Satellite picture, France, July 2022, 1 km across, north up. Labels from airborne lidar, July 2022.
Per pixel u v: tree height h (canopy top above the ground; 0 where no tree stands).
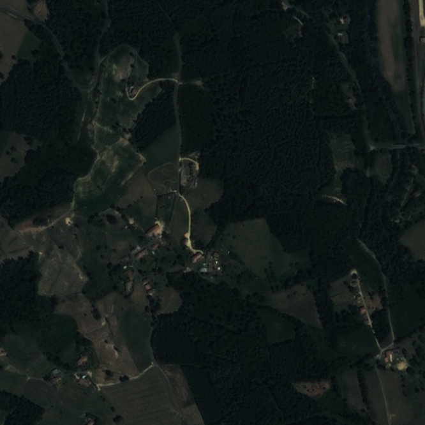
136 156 0
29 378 0
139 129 7
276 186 39
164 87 13
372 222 25
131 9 21
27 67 30
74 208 0
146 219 0
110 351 0
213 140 7
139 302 0
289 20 30
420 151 21
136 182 0
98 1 0
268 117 27
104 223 11
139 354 0
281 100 26
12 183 21
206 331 19
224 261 0
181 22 20
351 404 0
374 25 16
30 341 0
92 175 0
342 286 0
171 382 0
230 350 22
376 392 0
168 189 0
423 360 25
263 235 0
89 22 26
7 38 0
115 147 0
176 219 0
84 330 0
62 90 29
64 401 0
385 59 0
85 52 12
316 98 8
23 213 22
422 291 8
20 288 19
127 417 0
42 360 0
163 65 6
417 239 0
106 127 0
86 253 0
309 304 0
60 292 0
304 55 27
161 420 0
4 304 25
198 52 18
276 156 31
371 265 0
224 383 36
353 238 26
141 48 8
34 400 0
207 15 20
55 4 18
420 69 0
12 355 0
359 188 24
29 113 27
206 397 13
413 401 0
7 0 0
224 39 27
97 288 0
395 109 21
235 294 25
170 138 0
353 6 23
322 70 24
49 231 0
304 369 16
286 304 0
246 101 27
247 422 22
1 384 0
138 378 0
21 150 0
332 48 27
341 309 0
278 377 19
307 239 26
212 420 13
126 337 0
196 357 12
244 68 17
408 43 18
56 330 0
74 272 0
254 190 35
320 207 27
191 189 0
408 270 24
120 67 0
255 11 8
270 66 35
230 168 23
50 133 20
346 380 0
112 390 0
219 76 11
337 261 24
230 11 24
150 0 19
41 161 5
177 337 12
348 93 0
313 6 35
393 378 0
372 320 15
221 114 23
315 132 25
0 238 0
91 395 0
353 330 10
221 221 15
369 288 0
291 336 0
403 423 0
